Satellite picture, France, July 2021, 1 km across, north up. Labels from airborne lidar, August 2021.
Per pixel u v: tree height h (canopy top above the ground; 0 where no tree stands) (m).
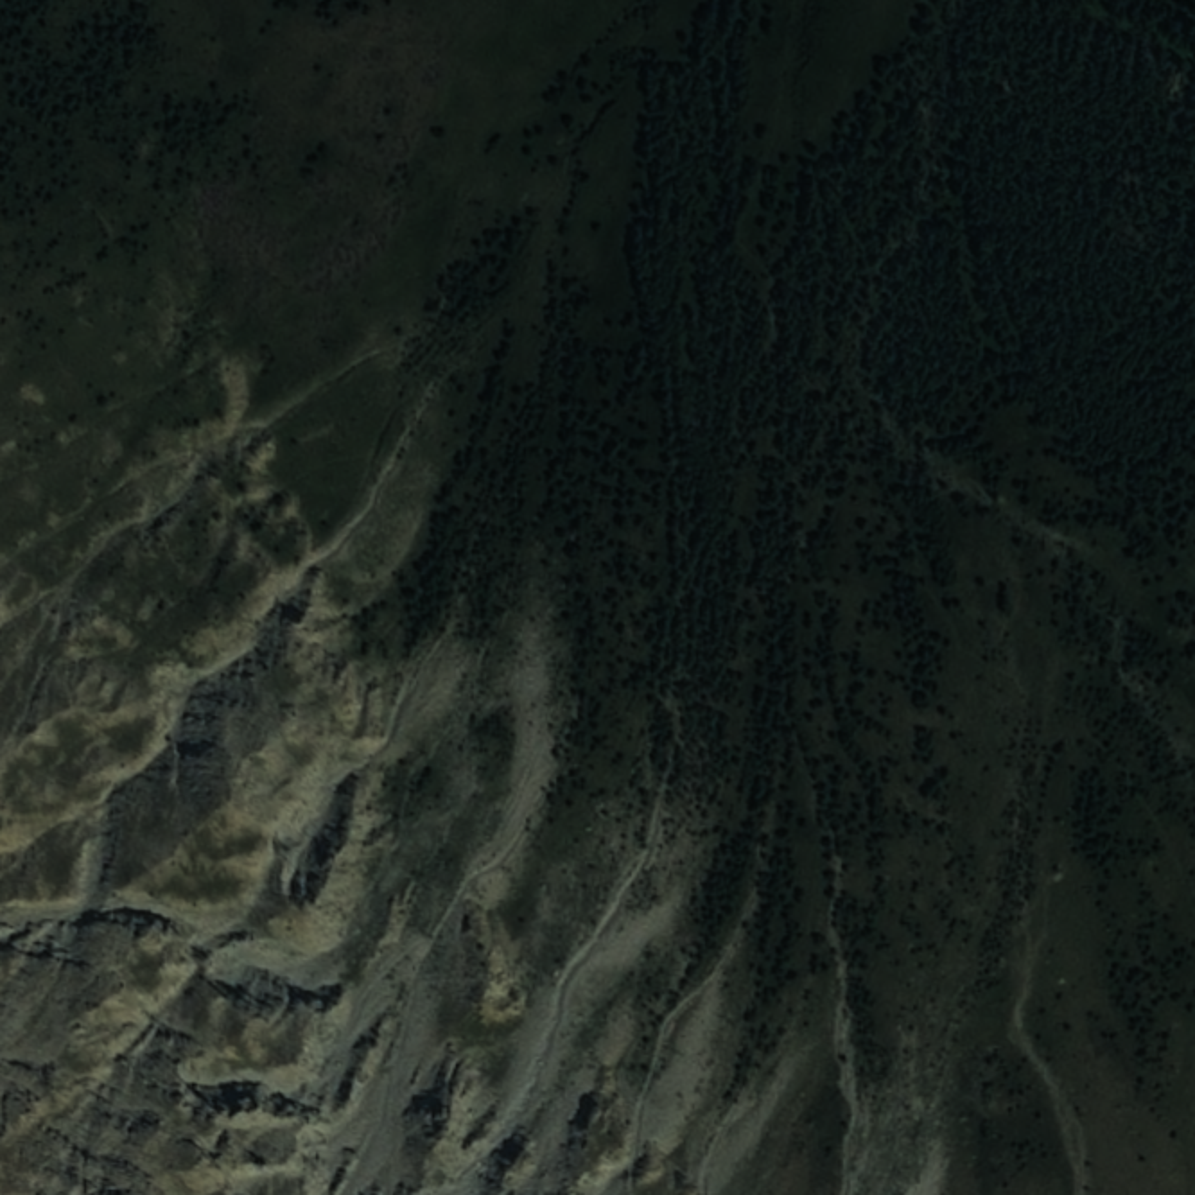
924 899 0
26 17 15
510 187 0
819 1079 0
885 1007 0
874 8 0
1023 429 0
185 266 0
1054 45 19
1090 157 17
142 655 0
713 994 0
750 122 0
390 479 0
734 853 10
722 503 16
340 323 0
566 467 12
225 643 0
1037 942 0
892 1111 0
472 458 15
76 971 0
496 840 0
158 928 0
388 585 0
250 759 0
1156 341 15
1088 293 15
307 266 0
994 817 0
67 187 10
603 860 0
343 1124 0
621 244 0
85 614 0
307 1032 0
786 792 10
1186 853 0
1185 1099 0
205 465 0
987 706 0
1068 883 0
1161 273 15
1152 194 17
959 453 16
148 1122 0
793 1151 0
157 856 0
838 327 17
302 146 0
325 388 0
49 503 0
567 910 0
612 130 0
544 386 9
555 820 8
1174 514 16
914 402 16
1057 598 8
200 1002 0
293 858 0
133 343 0
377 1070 0
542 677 0
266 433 0
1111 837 10
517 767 0
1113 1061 0
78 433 0
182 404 0
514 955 0
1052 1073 0
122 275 0
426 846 0
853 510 0
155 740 0
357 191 0
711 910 8
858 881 0
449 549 9
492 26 0
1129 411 17
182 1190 0
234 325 0
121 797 0
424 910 0
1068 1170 0
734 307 22
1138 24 26
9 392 0
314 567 0
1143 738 7
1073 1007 0
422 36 0
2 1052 0
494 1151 0
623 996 0
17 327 0
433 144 0
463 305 13
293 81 0
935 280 21
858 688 10
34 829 0
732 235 21
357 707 0
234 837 0
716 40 19
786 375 16
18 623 0
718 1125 0
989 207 23
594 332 0
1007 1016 0
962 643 0
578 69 8
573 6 0
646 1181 0
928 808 0
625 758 8
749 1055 8
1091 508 13
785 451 17
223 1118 0
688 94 15
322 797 0
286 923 0
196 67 0
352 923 0
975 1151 0
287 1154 0
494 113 0
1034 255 18
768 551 13
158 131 9
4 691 0
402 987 0
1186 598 13
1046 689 0
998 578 0
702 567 11
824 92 0
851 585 0
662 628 12
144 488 0
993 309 20
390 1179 0
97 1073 0
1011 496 0
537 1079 0
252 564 0
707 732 8
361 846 0
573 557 16
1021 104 14
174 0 0
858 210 22
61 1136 0
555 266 12
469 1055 0
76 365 0
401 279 0
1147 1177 0
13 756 0
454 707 0
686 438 18
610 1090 0
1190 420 11
